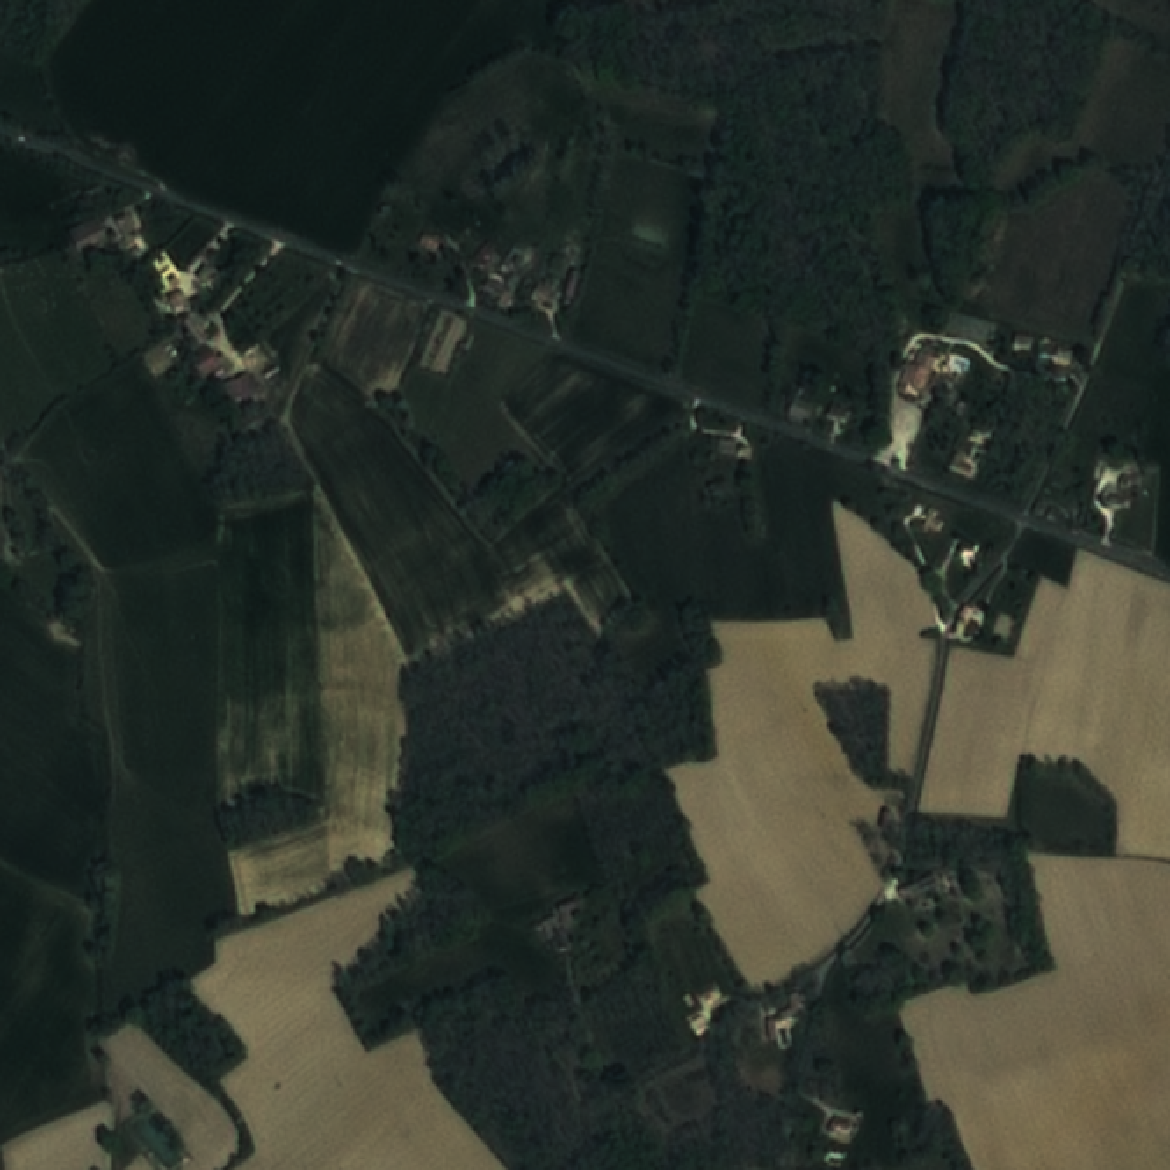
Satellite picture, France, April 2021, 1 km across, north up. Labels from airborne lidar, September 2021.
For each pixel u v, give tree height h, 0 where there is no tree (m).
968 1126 0
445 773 18
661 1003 17
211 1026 16
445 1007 21
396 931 12
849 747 13
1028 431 14
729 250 12
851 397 12
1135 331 0
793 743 0
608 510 0
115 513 0
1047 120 22
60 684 0
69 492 0
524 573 0
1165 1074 0
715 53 21
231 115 0
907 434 0
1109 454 14
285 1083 0
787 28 19
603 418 0
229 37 0
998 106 21
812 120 29
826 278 24
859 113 24
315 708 0
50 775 0
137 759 0
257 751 0
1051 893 0
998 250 0
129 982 0
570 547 0
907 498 0
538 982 0
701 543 0
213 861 0
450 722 11
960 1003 0
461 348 6
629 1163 22
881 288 20
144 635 0
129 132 0
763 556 0
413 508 0
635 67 25
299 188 0
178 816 0
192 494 0
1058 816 0
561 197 0
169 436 0
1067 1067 0
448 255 12
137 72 0
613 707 14
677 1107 0
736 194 22
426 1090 0
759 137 25
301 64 0
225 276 10
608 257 0
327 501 0
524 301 8
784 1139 10
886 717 12
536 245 6
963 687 0
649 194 0
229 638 0
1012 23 21
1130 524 0
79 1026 0
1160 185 15
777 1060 0
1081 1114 0
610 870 13
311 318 0
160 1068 0
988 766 0
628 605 14
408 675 14
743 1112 21
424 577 0
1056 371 11
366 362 0
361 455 0
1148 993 0
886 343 18
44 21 18
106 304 0
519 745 19
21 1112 0
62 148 17
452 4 0
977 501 0
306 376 0
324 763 0
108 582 0
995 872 16
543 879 0
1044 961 17
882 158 27
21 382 0
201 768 0
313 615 0
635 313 0
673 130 0
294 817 19
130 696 0
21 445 15
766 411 10
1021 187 0
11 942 0
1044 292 0
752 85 24
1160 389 0
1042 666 0
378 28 0
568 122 0
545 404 0
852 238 22
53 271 0
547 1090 17
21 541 18
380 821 0
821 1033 16
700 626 9
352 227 0
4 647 0
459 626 0
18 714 0
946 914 11
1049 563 0
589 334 0
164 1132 25
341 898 18
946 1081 0
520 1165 10
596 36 25
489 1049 17
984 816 0
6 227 0
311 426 0
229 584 0
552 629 14
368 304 0
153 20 0
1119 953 0
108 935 14
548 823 0
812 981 14
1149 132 0
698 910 13
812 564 0
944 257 23
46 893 0
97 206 13
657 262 0
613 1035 16
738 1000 9
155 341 10
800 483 0
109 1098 12
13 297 0
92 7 0
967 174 25
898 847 17
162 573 0
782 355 15
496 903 0
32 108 0
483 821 21
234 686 0
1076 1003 0
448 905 23
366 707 0
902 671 0
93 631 0
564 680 13
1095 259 0
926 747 0
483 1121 12
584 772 20
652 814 17
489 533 8
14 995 0
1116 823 11
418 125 0
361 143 0
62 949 0
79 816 0
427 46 0
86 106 0
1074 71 24
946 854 16
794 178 23
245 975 0
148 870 0
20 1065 0
